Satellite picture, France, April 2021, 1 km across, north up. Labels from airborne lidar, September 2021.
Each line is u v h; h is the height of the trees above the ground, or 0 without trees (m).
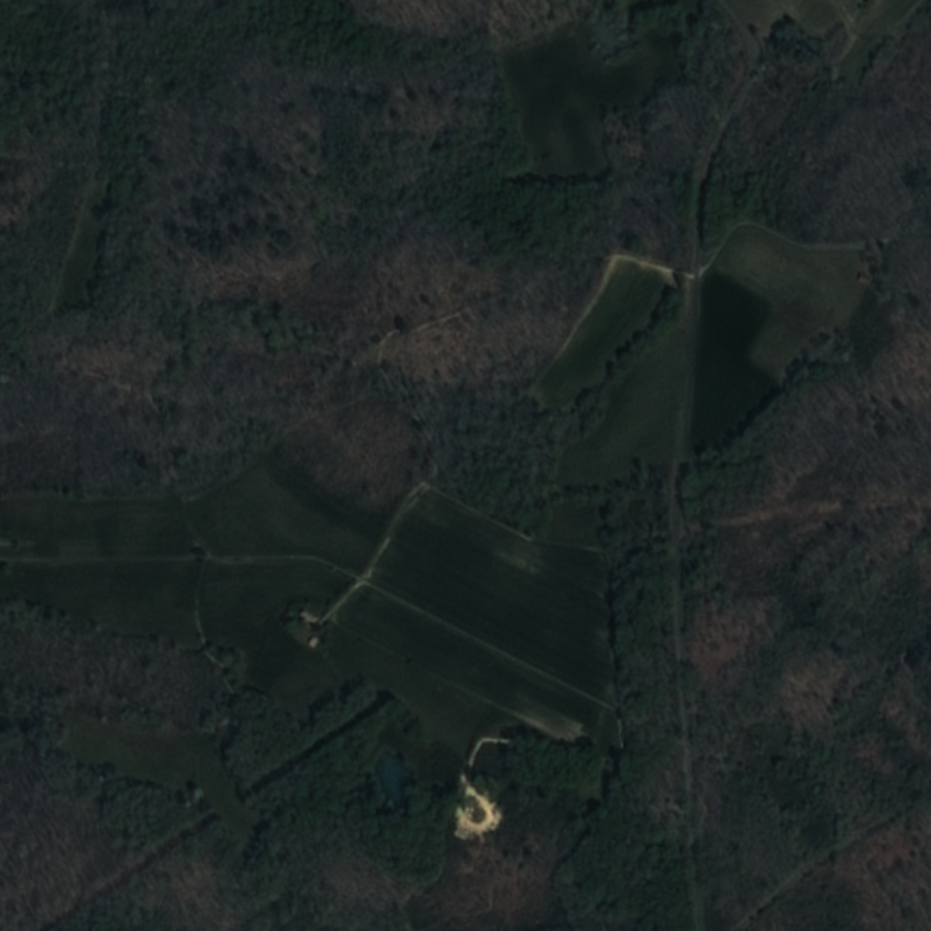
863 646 9
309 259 23
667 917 21
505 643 0
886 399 17
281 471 0
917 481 16
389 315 6
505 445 20
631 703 21
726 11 0
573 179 0
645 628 24
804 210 14
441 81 13
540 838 8
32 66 14
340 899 23
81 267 0
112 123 22
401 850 20
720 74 16
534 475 21
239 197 20
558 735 0
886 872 12
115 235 19
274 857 26
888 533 16
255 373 7
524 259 13
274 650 0
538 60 0
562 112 0
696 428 0
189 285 17
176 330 16
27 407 18
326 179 19
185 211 14
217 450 18
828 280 0
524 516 19
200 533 0
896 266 15
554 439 16
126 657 12
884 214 17
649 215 19
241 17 25
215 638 0
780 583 6
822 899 7
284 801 29
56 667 10
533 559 0
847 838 17
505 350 14
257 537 0
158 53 18
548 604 0
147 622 0
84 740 0
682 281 15
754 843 19
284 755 22
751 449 19
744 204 17
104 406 11
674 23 14
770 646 15
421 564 0
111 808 25
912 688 17
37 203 11
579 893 23
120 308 17
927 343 19
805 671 14
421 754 0
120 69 22
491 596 0
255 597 0
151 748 0
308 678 0
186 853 17
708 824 12
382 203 14
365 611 0
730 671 14
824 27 0
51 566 0
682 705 18
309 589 0
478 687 0
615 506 15
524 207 22
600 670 0
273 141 17
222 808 0
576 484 0
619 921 21
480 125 15
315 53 27
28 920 13
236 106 18
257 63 17
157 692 7
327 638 9
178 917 13
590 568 0
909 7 0
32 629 18
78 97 19
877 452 19
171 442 22
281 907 11
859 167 20
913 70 16
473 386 16
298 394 8
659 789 20
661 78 0
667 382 0
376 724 20
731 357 0
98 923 21
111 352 16
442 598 0
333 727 22
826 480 6
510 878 9
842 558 13
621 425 0
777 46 16
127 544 0
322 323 7
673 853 17
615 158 17
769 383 0
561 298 10
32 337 17
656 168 10
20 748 23
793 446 18
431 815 25
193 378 22
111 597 0
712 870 20
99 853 12
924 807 20
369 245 19
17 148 17
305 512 0
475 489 18
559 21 16
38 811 8
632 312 0
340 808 24
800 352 0
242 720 22
